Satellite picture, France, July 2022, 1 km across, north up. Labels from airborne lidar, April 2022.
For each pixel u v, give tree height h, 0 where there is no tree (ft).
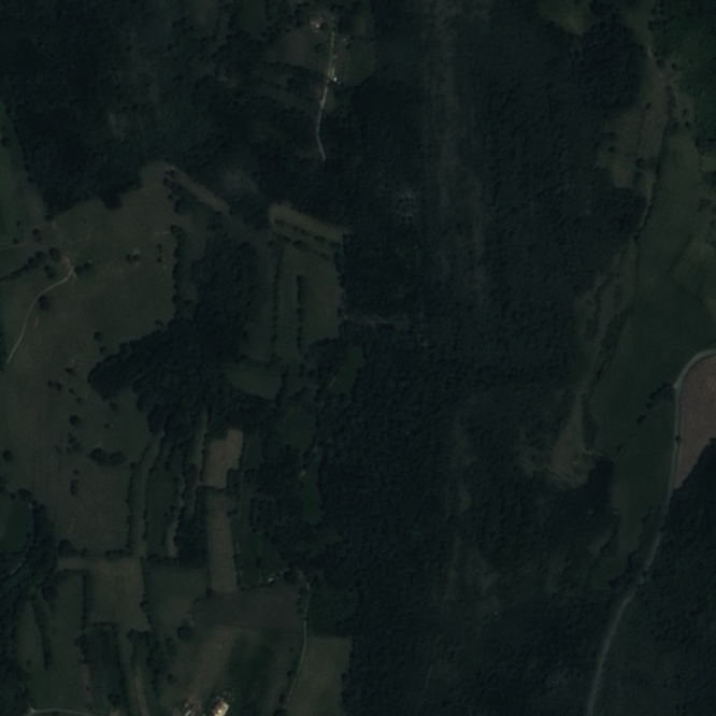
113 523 0
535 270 31
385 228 32
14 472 0
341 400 62
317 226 0
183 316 27
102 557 0
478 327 20
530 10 64
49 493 0
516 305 20
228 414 59
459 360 23
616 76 63
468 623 22
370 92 47
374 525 56
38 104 55
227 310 24
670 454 0
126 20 33
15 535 0
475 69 19
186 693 0
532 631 24
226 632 0
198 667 0
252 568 0
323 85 36
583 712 20
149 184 0
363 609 33
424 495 42
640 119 0
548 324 35
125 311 0
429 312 34
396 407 58
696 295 0
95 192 68
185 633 41
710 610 45
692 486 49
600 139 31
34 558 48
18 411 0
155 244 0
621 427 0
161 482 0
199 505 28
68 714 0
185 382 36
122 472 0
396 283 25
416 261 44
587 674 26
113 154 35
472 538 22
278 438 74
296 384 0
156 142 20
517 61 20
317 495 0
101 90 27
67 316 0
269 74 0
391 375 31
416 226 18
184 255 28
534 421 20
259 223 46
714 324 0
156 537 0
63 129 56
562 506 21
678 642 33
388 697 52
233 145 44
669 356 0
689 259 0
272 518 44
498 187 29
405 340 59
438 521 21
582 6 44
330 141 37
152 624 36
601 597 23
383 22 29
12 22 21
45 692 0
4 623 33
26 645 0
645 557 24
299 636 0
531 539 25
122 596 0
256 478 31
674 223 0
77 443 33
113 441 0
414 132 33
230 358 57
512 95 41
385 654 44
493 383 28
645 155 0
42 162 60
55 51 50
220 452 0
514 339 23
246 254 49
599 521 22
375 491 61
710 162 0
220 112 56
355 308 45
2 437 0
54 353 0
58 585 32
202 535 29
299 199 51
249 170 26
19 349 0
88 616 19
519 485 34
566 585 26
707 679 38
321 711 0
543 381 28
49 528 61
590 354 0
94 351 0
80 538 0
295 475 63
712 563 26
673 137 25
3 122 0
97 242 0
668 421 0
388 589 45
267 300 0
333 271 0
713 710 31
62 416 0
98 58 30
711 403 0
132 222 0
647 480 0
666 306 0
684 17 23
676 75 36
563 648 36
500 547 34
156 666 42
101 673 0
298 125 50
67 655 0
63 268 0
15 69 24
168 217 0
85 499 0
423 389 67
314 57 0
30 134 44
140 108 31
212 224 18
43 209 0
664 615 25
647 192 0
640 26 0
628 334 0
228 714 0
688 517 52
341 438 39
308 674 0
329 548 32
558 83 17
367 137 43
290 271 0
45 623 48
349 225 32
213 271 19
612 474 35
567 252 23
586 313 0
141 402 31
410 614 20
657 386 0
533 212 24
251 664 0
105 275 0
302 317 27
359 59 0
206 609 0
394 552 60
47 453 0
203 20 0
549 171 27
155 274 0
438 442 22
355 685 57
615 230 24
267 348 0
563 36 63
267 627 0
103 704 0
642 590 22
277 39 23
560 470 0
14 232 0
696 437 0
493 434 30
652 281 0
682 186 0
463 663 20
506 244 30
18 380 0
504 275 23
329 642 0
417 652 31
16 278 21
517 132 34
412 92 28
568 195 40
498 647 18
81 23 61
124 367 35
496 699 56
